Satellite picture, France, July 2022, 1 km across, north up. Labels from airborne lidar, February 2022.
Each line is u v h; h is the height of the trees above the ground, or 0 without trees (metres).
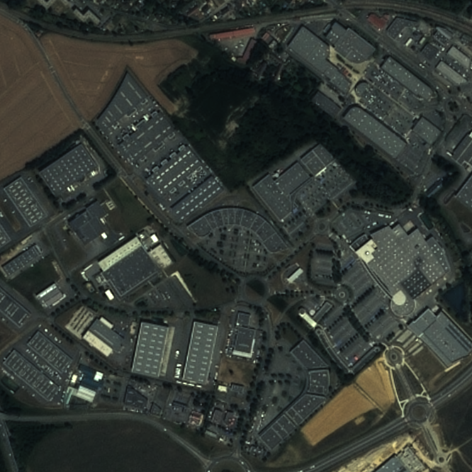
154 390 0
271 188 0
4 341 0
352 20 0
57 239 0
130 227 0
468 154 0
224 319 0
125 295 0
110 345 0
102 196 0
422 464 0
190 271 0
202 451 0
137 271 0
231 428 0
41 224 0
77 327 0
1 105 0
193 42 0
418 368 0
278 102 16
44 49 0
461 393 0
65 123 0
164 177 0
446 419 0
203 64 0
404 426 0
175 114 0
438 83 0
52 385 0
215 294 0
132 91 0
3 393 13
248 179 0
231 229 0
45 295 0
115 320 0
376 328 0
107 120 0
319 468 0
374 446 0
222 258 0
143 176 0
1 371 0
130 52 0
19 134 0
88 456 0
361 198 0
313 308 0
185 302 0
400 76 0
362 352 0
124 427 0
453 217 0
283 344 0
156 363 0
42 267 0
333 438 0
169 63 0
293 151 8
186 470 0
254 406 11
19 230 0
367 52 0
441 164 24
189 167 0
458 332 0
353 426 0
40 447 0
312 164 0
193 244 0
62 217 0
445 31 0
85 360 0
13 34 0
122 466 0
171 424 0
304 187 0
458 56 0
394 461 0
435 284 0
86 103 0
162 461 0
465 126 0
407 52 0
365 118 0
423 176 0
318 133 12
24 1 22
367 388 0
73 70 0
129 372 0
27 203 0
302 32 0
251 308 7
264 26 0
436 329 0
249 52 0
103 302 0
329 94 0
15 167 0
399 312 0
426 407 0
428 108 0
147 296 0
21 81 0
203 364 0
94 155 0
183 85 0
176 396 0
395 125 0
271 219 0
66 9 0
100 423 0
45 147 0
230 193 0
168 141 0
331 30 0
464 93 0
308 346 0
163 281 0
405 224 0
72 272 0
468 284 0
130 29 0
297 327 0
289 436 0
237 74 15
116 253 0
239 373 0
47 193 8
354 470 0
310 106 14
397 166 0
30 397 0
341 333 0
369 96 0
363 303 0
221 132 0
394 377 0
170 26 0
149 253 0
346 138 14
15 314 0
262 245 0
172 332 0
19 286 0
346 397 0
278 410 0
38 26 12
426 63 0
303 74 15
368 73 0
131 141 0
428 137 0
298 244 0
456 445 0
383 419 0
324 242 0
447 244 7
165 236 0
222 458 0
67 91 0
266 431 0
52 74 0
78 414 0
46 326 0
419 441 0
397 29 0
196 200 0
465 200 0
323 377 0
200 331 0
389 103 0
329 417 0
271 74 7
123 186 0
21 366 0
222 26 0
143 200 0
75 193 0
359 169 16
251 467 0
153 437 0
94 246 0
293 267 0
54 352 0
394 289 0
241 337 0
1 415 0
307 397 0
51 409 0
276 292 0
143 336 0
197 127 0
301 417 0
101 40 0
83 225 0
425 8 0
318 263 0
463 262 6
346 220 0
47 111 0
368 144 0
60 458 0
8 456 0
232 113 0
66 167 0
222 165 0
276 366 0
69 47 0
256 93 12
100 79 0
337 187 0
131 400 0
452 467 0
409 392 0
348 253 0
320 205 0
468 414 0
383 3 0
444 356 0
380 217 0
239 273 0
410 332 0
